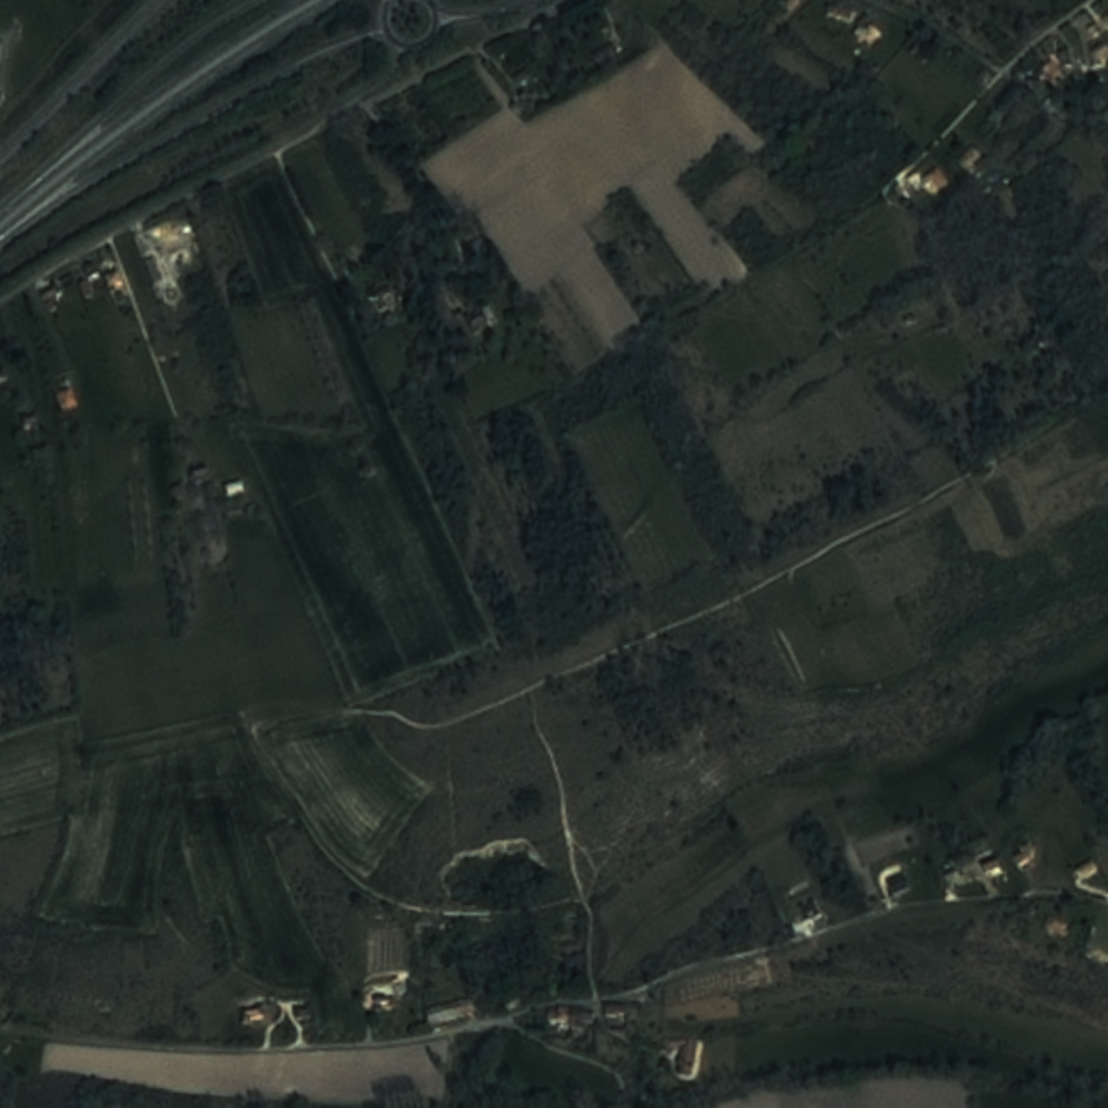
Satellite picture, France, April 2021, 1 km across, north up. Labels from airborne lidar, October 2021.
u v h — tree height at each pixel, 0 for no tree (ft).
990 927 34
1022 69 27
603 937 0
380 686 0
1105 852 0
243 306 26
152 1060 0
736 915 23
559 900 36
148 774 0
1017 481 0
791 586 0
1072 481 0
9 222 0
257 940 0
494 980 60
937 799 0
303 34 19
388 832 0
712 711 24
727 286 37
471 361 49
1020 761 46
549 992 24
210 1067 0
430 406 24
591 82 36
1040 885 0
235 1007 0
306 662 0
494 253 66
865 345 0
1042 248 20
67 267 0
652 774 0
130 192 0
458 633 0
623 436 0
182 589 31
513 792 21
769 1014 0
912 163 36
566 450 19
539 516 26
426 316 81
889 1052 0
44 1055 0
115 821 0
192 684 0
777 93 37
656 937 0
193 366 0
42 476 27
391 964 0
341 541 0
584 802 0
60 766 0
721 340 0
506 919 41
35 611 36
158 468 0
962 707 40
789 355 0
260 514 39
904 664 0
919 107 0
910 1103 0
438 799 0
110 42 0
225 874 0
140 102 0
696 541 0
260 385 0
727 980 0
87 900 0
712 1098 83
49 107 0
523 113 28
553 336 23
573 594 19
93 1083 42
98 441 0
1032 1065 24
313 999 0
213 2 37
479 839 0
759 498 0
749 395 42
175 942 0
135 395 0
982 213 64
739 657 21
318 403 0
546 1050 20
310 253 0
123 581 0
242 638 0
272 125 0
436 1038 0
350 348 0
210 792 0
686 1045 0
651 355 65
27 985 25
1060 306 19
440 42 19
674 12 26
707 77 35
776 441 0
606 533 23
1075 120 30
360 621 0
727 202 0
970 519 0
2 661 67
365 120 47
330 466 0
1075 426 0
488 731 0
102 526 0
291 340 0
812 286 0
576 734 0
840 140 18
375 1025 37
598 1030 23
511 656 0
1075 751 19
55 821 0
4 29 0
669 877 0
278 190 0
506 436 47
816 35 0
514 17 19
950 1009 0
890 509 0
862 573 0
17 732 38
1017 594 22
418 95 18
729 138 24
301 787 0
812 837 52
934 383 0
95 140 0
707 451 33
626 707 31
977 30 23
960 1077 73
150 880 0
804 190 27
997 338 31
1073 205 41
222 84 20
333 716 0
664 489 0
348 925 0
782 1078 81
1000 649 21
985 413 30
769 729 0
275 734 0
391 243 44
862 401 0
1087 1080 57
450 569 0
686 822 22
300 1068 0
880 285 0
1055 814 0
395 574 0
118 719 0
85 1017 0
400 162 42
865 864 0
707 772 0
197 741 0
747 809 0
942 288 61
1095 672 0
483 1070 77
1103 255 32
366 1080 0
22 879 0
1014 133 27
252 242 0
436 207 37
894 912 0
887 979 0
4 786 0
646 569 0
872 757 37
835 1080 56
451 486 39
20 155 23
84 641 0
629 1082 28
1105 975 52
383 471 0
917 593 0
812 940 24
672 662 42
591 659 0
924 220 49
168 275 0
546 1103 45
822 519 0
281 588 0
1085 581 23
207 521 44
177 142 23
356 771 0
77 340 0
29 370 30
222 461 0
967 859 39
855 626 0
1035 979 71
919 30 30
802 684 0
